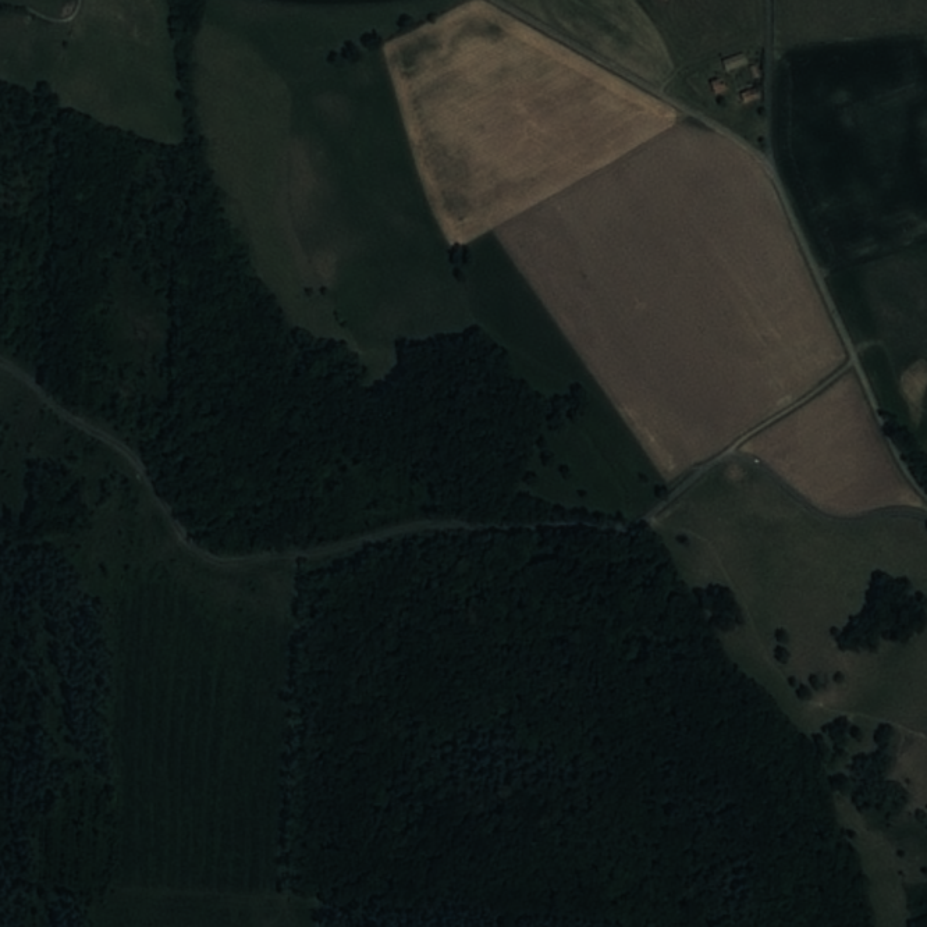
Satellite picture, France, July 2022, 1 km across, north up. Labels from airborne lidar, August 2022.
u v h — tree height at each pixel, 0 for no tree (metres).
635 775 28
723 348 0
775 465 0
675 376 0
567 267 0
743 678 21
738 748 24
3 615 22
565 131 0
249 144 0
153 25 0
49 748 28
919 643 0
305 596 21
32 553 30
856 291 0
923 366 0
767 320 0
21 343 12
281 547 18
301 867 19
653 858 16
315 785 24
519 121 0
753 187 0
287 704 23
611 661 22
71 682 30
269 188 0
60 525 21
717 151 0
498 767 31
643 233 0
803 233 0
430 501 6
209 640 0
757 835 22
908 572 0
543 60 0
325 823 25
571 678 24
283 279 0
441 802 23
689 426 0
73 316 24
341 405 26
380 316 0
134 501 6
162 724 0
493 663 22
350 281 0
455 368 23
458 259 16
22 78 0
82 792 7
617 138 0
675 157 0
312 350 11
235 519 20
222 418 17
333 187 0
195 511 22
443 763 21
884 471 0
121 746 0
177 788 0
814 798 22
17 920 33
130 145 15
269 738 0
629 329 0
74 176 21
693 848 22
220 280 20
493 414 21
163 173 17
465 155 0
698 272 0
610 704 20
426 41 0
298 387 24
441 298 0
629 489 0
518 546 20
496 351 20
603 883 23
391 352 0
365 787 23
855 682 0
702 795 25
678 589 19
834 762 25
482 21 0
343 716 23
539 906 21
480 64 0
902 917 0
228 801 0
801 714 0
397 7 0
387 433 22
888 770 9
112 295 9
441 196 0
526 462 16
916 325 0
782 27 0
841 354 0
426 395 23
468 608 19
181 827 0
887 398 0
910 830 0
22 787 37
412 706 22
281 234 0
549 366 0
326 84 0
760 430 0
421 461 19
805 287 0
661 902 15
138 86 0
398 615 22
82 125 17
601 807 24
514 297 0
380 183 0
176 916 0
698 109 0
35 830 9
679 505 0
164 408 16
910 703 0
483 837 18
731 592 12
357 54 18
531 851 13
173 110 0
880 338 0
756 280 0
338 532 5
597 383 0
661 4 0
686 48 0
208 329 18
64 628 26
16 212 13
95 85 0
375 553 19
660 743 23
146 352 0
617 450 0
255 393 20
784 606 0
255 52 0
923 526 0
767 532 0
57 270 21
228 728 0
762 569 0
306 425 24
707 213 0
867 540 0
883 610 25
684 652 27
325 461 17
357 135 0
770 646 0
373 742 24
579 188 0
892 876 0
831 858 22
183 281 21
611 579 20
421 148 0
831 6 0
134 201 11
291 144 0
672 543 0
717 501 0
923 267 0
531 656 20
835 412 0
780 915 22
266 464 24
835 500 0
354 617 20
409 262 0
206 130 0
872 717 0
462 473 21
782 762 22
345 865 20
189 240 19
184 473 19
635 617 18
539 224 0
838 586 0
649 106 0
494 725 21
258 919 0
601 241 0
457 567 19
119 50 0
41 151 16
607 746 25
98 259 14
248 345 20
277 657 0
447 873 19
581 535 22
